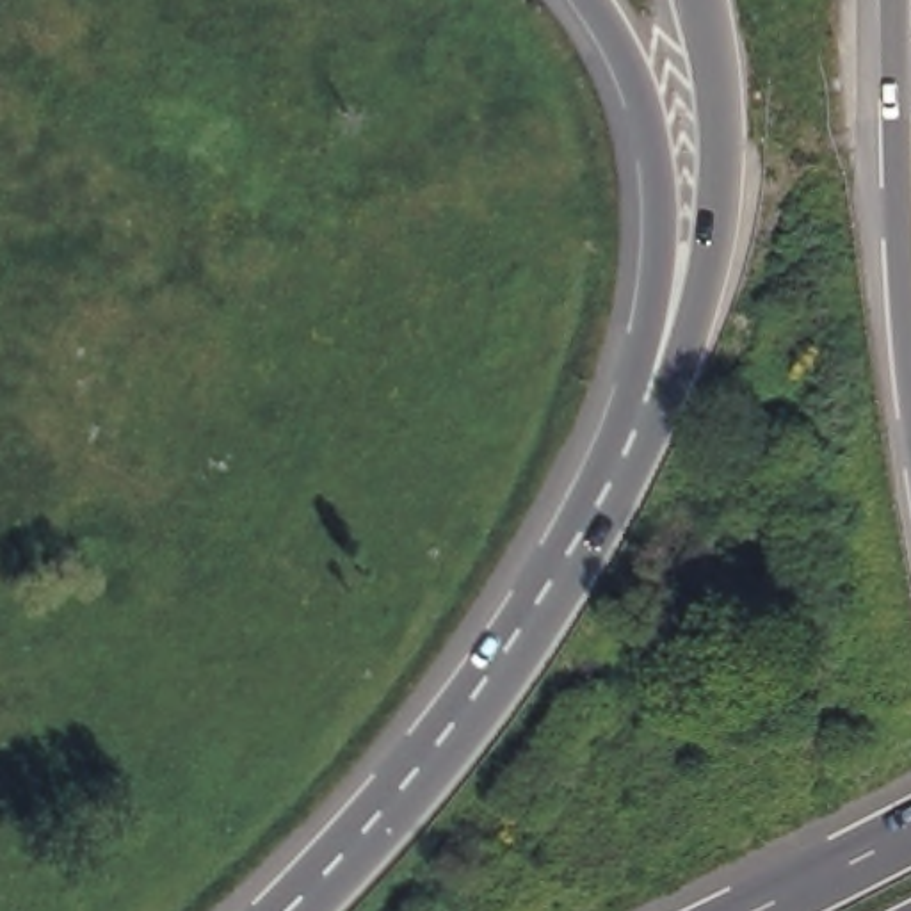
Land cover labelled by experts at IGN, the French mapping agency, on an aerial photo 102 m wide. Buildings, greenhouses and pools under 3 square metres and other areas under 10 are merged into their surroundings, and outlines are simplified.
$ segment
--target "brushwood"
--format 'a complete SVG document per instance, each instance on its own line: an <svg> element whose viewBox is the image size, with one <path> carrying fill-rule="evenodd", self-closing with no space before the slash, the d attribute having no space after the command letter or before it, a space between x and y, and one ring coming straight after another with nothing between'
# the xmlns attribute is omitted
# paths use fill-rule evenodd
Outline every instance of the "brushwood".
<svg viewBox="0 0 911 911"><path fill-rule="evenodd" d="M758 395L744 377L733 388L712 388L712 399L705 402L697 420L680 409L676 423L669 427L669 441L676 448L690 448L694 441L701 441L772 456L772 448L786 441L794 427L804 427L811 416L786 399Z"/></svg>
<svg viewBox="0 0 911 911"><path fill-rule="evenodd" d="M822 726L865 730L872 722L861 712L836 705L818 712Z"/></svg>
<svg viewBox="0 0 911 911"><path fill-rule="evenodd" d="M633 573L641 580L626 598L616 598L612 605L637 630L651 633L648 644L623 648L626 658L633 658L633 680L594 683L591 690L562 694L552 705L534 747L491 794L484 794L484 801L502 815L512 815L520 826L527 826L537 804L552 804L555 786L562 783L562 747L576 737L576 730L587 719L616 715L616 722L630 719L641 726L655 715L676 715L673 733L680 733L687 744L669 751L669 762L687 769L705 762L705 751L694 744L697 737L722 740L730 730L744 730L762 715L779 715L794 708L801 701L797 694L815 676L815 669L794 651L794 637L808 619L794 616L797 594L772 576L765 544L740 537L708 541L697 530L676 527L673 520L651 523L641 509L619 552L633 559Z"/></svg>
<svg viewBox="0 0 911 911"><path fill-rule="evenodd" d="M452 829L434 829L431 822L413 836L413 843L427 861L438 858L452 872L466 875L438 900L406 904L402 911L502 911L505 904L498 897L480 897L473 886L473 875L480 868L473 865L473 843L498 840L498 826L456 822Z"/></svg>

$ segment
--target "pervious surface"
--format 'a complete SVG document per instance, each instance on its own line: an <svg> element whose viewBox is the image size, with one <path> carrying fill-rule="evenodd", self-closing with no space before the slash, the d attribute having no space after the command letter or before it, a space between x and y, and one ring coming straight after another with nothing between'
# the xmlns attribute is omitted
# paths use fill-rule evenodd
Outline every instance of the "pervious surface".
<svg viewBox="0 0 911 911"><path fill-rule="evenodd" d="M744 274L762 270L765 238L779 221L779 199L804 174L804 167L790 164L776 142L751 142L758 149L762 181Z"/></svg>

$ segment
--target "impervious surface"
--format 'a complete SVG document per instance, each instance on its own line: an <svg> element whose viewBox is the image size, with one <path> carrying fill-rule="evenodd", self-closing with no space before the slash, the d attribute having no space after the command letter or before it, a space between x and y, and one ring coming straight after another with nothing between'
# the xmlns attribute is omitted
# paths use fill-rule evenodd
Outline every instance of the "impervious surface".
<svg viewBox="0 0 911 911"><path fill-rule="evenodd" d="M868 342L883 402L879 438L890 452L893 498L911 573L911 0L840 0L836 93L843 96L847 149L854 164L851 214L858 235L861 288L868 306Z"/></svg>
<svg viewBox="0 0 911 911"><path fill-rule="evenodd" d="M737 861L715 865L683 883L676 893L651 897L633 911L843 911L911 875L911 769L883 783L879 790L840 804L833 815L811 818L801 829L769 840L765 847L740 851Z"/></svg>
<svg viewBox="0 0 911 911"><path fill-rule="evenodd" d="M370 890L370 883L399 858L399 851L413 843L413 836L431 822L434 811L456 794L456 786L477 769L488 747L502 737L509 719L523 708L537 680L544 676L552 655L584 612L587 591L619 552L641 509L669 456L669 441L669 427L676 423L680 409L697 420L705 402L712 399L712 388L733 388L744 377L744 363L737 356L715 352L715 338L726 324L730 302L744 288L744 274L762 181L758 149L751 142L747 50L740 36L737 0L544 0L548 11L573 36L601 93L619 167L619 278L605 345L587 384L587 399L580 406L573 434L566 438L552 470L544 473L544 484L530 512L523 516L516 537L509 541L502 562L495 566L491 580L448 637L445 651L423 673L416 690L381 730L381 737L367 747L367 754L352 765L352 772L335 786L335 794L210 911L349 911Z"/></svg>

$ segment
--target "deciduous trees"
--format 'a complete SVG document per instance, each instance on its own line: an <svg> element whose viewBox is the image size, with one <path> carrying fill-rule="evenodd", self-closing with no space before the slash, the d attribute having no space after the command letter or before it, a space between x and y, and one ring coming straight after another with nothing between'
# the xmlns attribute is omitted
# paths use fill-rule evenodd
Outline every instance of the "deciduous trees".
<svg viewBox="0 0 911 911"><path fill-rule="evenodd" d="M82 548L75 548L64 562L50 562L39 573L25 573L7 587L7 598L18 605L21 616L43 619L68 598L93 601L103 594L103 573L82 555Z"/></svg>
<svg viewBox="0 0 911 911"><path fill-rule="evenodd" d="M57 797L39 801L28 818L14 822L25 836L14 851L14 865L21 868L21 875L39 879L53 893L107 893L114 854L128 847L146 847L157 822L153 808L142 808L135 801L125 772L114 769L107 779L64 786Z"/></svg>

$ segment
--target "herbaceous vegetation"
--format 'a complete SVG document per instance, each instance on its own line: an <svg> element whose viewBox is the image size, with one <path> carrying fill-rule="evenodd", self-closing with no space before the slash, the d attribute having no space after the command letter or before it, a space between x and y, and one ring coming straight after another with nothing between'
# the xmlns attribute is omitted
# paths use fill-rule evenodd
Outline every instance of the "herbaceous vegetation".
<svg viewBox="0 0 911 911"><path fill-rule="evenodd" d="M413 843L399 851L399 858L370 883L370 890L349 911L402 911L406 904L438 900L466 875L452 872L438 858L427 861Z"/></svg>
<svg viewBox="0 0 911 911"><path fill-rule="evenodd" d="M801 829L811 818L833 815L840 804L879 790L883 783L911 769L911 573L893 498L890 452L879 438L883 402L868 342L868 306L861 288L858 235L851 214L854 164L847 149L843 96L836 93L840 0L737 0L740 36L747 50L751 142L776 142L790 164L804 167L804 174L779 199L779 221L765 238L762 270L744 274L744 288L730 302L726 324L715 338L715 352L737 356L744 363L744 377L758 395L786 399L811 416L804 427L794 427L786 441L772 448L772 456L701 441L694 441L690 448L676 448L669 441L669 456L641 509L651 523L673 520L676 527L697 530L708 541L740 537L765 544L772 576L797 594L794 616L808 619L794 637L794 651L815 669L815 676L797 694L801 701L794 708L779 715L762 715L744 730L730 730L722 740L697 737L694 744L705 751L705 762L687 769L669 762L669 751L687 744L680 733L673 733L676 715L655 715L641 726L630 719L616 722L616 715L587 719L576 730L576 737L562 747L562 783L555 786L552 804L537 804L527 826L520 826L512 815L502 815L484 801L484 794L491 794L534 747L552 705L562 694L591 690L594 683L633 680L633 658L626 658L623 648L648 644L651 633L637 630L612 605L616 598L626 598L641 580L633 573L633 559L619 552L587 591L584 612L552 655L544 676L537 680L523 708L509 719L502 737L488 747L477 769L456 786L456 794L434 811L431 822L434 829L452 829L456 822L498 826L498 840L473 843L473 865L480 868L473 875L473 886L480 897L498 897L505 904L502 911L633 911L651 897L676 893L683 883L715 865L737 861L740 851L765 847L769 840ZM861 712L872 722L865 730L822 726L818 712L836 705Z"/></svg>
<svg viewBox="0 0 911 911"><path fill-rule="evenodd" d="M911 875L843 911L911 911Z"/></svg>
<svg viewBox="0 0 911 911"><path fill-rule="evenodd" d="M552 470L566 438L573 434L580 406L587 399L587 384L605 345L619 278L619 167L601 93L573 36L548 11L544 0L0 0L0 911L210 911L335 794L335 786L352 772L352 765L367 754L367 747L381 737L381 730L416 690L423 673L445 651L448 637L491 580L495 566L502 562L509 541L516 537L523 516L530 512L544 484L544 473ZM68 598L43 619L21 616L18 605L7 598L7 587L25 573L39 573L50 562L64 562L75 548L82 548L82 555L103 573L103 594L93 601ZM146 847L128 847L114 854L107 893L53 893L39 879L21 875L21 868L14 865L14 851L25 836L14 822L28 818L39 801L57 797L64 786L107 779L114 769L125 772L135 801L142 808L153 808L157 822Z"/></svg>

